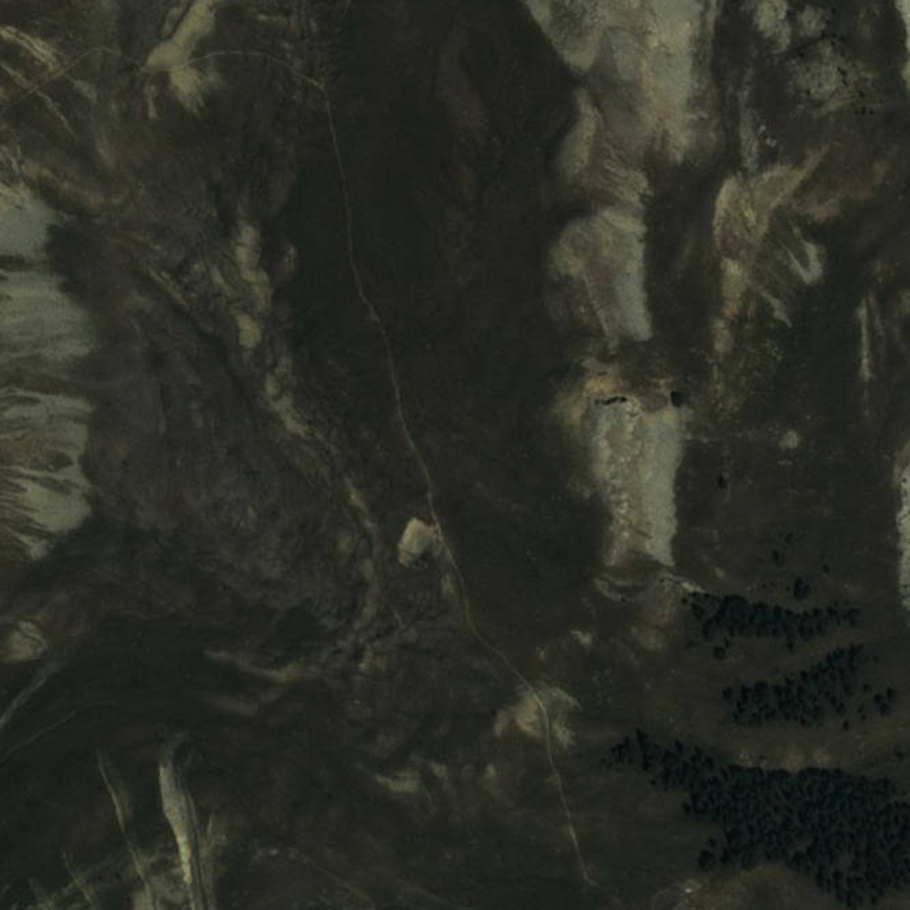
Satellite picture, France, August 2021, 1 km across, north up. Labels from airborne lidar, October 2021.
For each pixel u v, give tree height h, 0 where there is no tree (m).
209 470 0
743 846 18
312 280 0
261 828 0
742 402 0
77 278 0
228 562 0
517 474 0
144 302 0
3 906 0
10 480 0
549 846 0
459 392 0
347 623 0
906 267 0
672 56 0
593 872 0
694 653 0
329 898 0
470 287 0
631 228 0
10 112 0
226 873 0
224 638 0
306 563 0
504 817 0
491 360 0
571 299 0
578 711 0
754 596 0
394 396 0
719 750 0
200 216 0
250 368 0
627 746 10
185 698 0
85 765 0
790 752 0
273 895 0
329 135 0
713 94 0
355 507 0
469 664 0
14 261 0
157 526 0
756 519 0
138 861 0
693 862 0
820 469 0
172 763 0
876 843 22
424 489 0
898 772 0
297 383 0
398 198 0
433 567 0
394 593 0
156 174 0
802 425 0
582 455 0
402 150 0
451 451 0
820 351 0
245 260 0
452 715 0
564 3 0
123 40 0
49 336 0
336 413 0
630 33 0
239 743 0
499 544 0
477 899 0
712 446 0
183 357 0
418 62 0
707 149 0
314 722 0
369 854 0
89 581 0
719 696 0
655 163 0
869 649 0
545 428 0
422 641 0
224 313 0
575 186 0
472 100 0
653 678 0
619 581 0
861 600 0
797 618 17
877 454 0
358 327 0
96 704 0
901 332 0
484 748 0
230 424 0
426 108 0
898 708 0
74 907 0
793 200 0
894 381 0
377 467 0
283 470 0
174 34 0
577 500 0
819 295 0
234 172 0
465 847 0
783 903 0
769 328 0
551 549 0
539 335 0
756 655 0
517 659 0
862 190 0
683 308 0
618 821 0
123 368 0
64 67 0
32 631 0
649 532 0
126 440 0
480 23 0
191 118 0
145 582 0
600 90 0
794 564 0
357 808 0
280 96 0
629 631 0
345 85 0
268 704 0
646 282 0
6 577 0
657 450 0
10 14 0
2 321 0
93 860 0
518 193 0
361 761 0
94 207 0
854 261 0
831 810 16
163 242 0
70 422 0
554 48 0
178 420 0
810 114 0
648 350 0
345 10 0
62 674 0
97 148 0
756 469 0
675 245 0
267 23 0
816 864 17
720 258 0
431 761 0
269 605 0
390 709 0
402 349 0
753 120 0
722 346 0
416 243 0
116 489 0
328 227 0
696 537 0
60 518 0
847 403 0
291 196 0
